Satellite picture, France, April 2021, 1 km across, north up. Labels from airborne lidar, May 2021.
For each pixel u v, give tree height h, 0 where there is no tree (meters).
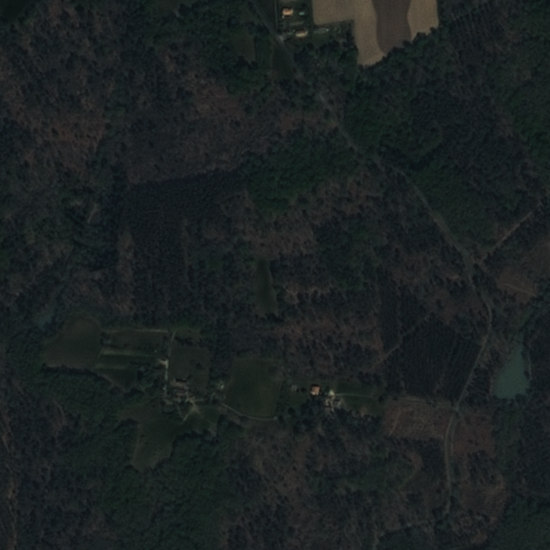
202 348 7
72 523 18
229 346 18
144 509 14
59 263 19
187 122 21
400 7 0
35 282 13
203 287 22
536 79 18
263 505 15
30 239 13
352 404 0
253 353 10
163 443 0
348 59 22
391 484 15
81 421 18
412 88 16
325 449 25
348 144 20
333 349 23
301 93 12
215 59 10
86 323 0
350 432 20
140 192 19
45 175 12
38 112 16
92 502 12
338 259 18
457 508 22
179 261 21
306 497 17
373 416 0
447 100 21
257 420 0
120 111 18
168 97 23
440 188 24
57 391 22
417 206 16
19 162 13
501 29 18
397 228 20
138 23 21
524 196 17
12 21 0
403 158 25
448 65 19
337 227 24
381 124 18
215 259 25
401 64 21
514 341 9
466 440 0
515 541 19
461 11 19
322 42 0
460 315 10
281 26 7
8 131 19
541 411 16
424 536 15
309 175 23
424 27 0
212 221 19
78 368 0
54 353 0
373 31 0
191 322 17
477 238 21
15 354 23
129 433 16
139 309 24
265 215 19
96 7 13
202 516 23
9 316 23
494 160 19
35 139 14
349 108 18
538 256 0
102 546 16
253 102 10
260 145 11
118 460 15
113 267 17
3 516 16
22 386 21
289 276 25
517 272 0
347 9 0
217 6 21
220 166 9
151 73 22
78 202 15
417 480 0
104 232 19
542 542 20
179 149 8
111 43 11
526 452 19
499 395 0
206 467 22
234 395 0
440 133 10
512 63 20
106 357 0
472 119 21
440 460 20
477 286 22
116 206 19
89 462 18
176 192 17
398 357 12
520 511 21
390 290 10
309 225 13
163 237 18
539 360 19
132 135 18
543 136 24
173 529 21
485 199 23
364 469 12
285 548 23
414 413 0
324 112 22
